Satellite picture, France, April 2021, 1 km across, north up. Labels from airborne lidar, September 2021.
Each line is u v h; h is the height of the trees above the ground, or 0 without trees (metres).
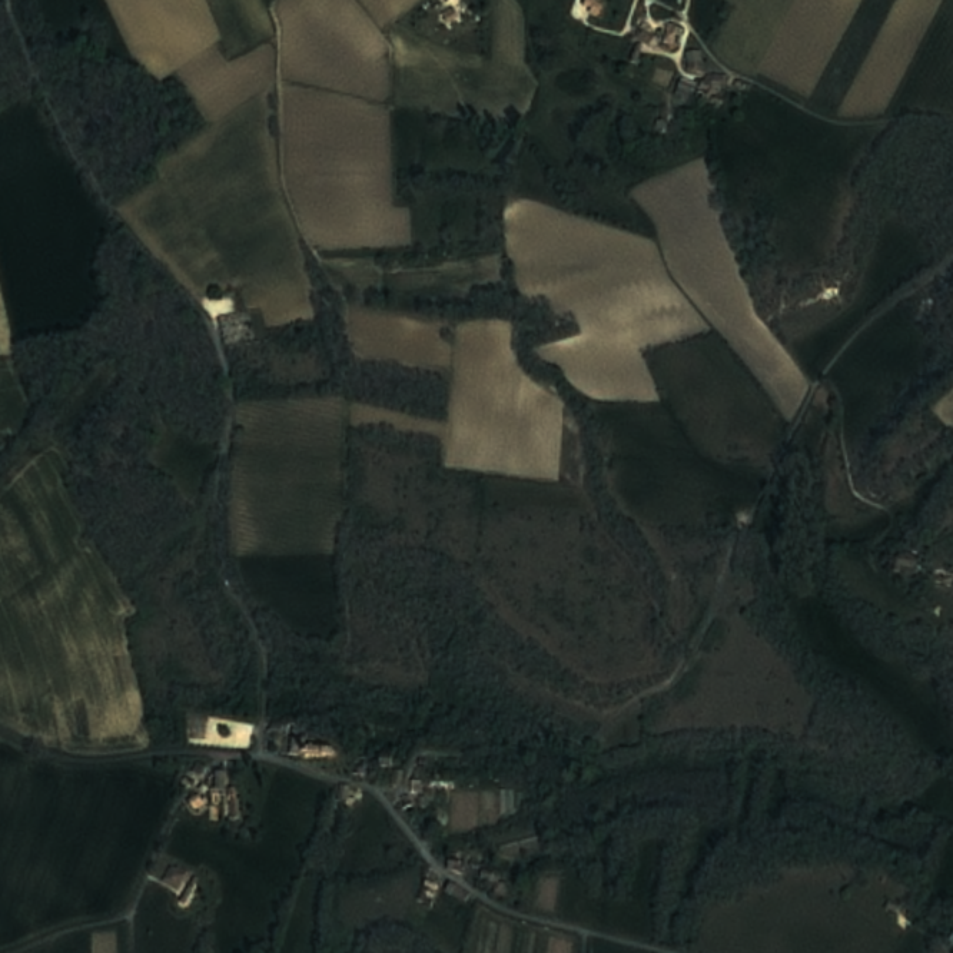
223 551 16
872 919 0
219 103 0
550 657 9
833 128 0
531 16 0
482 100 0
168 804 0
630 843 20
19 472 0
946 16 0
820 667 17
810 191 0
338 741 13
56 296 0
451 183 14
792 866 14
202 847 0
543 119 0
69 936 0
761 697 0
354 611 11
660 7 0
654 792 13
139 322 13
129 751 0
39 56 16
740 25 0
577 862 18
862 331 0
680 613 0
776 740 12
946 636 11
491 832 10
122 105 17
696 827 24
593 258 0
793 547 34
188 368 18
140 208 0
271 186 0
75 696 0
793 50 0
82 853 0
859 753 11
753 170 0
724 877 15
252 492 0
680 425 0
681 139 11
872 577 0
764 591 12
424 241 0
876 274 0
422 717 19
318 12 0
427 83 0
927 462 15
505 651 15
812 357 0
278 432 0
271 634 13
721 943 0
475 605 15
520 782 19
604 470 12
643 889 0
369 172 0
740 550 17
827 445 0
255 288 0
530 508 0
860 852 27
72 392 12
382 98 0
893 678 0
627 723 0
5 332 0
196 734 0
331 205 0
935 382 12
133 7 0
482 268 0
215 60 0
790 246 0
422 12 6
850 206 0
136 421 20
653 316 0
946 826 13
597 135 21
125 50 0
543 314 15
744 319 0
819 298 0
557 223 0
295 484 0
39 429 18
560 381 14
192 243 0
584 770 24
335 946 11
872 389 0
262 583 0
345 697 7
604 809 14
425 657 8
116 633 0
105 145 16
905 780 12
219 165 0
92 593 0
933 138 20
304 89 0
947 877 0
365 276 0
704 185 0
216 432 21
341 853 15
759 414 0
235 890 0
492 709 12
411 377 19
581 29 0
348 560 18
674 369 0
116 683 0
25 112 0
